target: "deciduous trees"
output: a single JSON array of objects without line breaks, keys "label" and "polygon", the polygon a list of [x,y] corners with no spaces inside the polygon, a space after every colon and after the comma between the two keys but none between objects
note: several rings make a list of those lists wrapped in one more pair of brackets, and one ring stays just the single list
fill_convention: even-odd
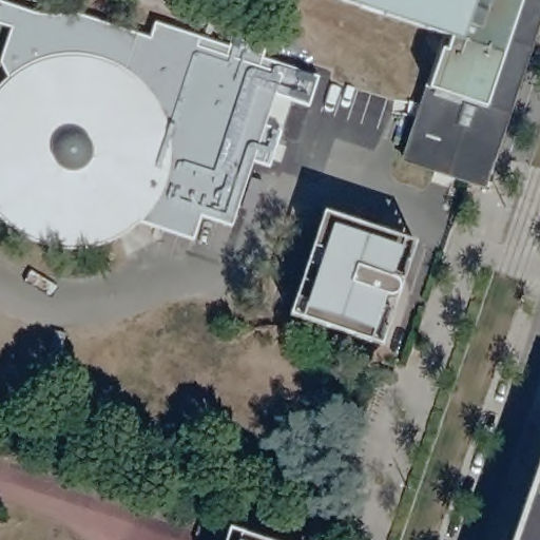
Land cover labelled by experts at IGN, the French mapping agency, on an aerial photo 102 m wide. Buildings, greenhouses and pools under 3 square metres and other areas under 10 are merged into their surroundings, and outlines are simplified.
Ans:
[{"label": "deciduous trees", "polygon": [[458,342],[466,344],[473,335],[475,321],[464,310],[460,314],[458,325],[451,327],[451,335]]},{"label": "deciduous trees", "polygon": [[110,247],[105,243],[76,245],[74,249],[68,249],[59,238],[40,240],[42,259],[46,262],[51,272],[59,276],[72,278],[105,272],[110,266]]},{"label": "deciduous trees", "polygon": [[515,363],[510,354],[504,363],[489,365],[487,375],[491,378],[496,371],[500,371],[498,386],[508,390],[523,382],[525,367],[521,363]]},{"label": "deciduous trees", "polygon": [[114,0],[116,15],[131,15],[139,0]]},{"label": "deciduous trees", "polygon": [[481,498],[468,496],[466,491],[456,491],[451,496],[449,506],[454,506],[454,513],[449,521],[470,525],[481,517]]},{"label": "deciduous trees", "polygon": [[234,302],[228,304],[230,312],[226,316],[217,316],[213,323],[207,325],[209,331],[213,331],[221,340],[232,340],[240,331],[255,327],[257,319],[268,319],[274,314],[274,306],[264,300],[264,283],[270,278],[278,281],[283,253],[297,234],[295,221],[278,217],[276,221],[272,221],[268,230],[262,230],[257,240],[266,249],[266,257],[255,270],[251,287],[232,293]]},{"label": "deciduous trees", "polygon": [[430,276],[426,283],[426,291],[439,287],[443,297],[456,295],[451,287],[454,278],[449,276],[449,268],[441,274]]},{"label": "deciduous trees", "polygon": [[38,0],[34,11],[40,13],[86,15],[89,6],[84,4],[84,0]]},{"label": "deciduous trees", "polygon": [[536,141],[540,143],[540,124],[529,122],[525,118],[519,131],[513,135],[515,146],[519,150],[527,150]]},{"label": "deciduous trees", "polygon": [[17,230],[15,226],[8,226],[0,217],[0,245],[8,255],[25,255],[21,243],[27,236],[25,232]]},{"label": "deciduous trees", "polygon": [[308,513],[306,502],[308,498],[314,498],[308,489],[310,481],[285,479],[276,451],[259,447],[259,443],[253,432],[245,430],[238,422],[234,422],[232,409],[228,405],[221,407],[221,411],[211,413],[207,409],[198,409],[196,416],[188,416],[184,420],[181,426],[165,424],[160,430],[148,430],[146,426],[141,426],[135,407],[112,403],[110,394],[97,392],[93,388],[93,382],[89,378],[91,365],[80,363],[74,352],[68,356],[55,354],[51,369],[42,369],[40,375],[30,375],[19,388],[11,388],[8,401],[0,403],[0,460],[23,466],[23,473],[27,477],[42,479],[51,485],[63,485],[70,491],[78,491],[84,487],[93,487],[97,489],[99,498],[120,500],[120,506],[116,508],[133,519],[165,521],[167,525],[181,529],[186,534],[192,529],[194,523],[209,532],[226,532],[230,529],[230,525],[243,525],[247,517],[257,517],[259,523],[264,523],[266,527],[289,534],[302,529],[306,519],[312,517]]},{"label": "deciduous trees", "polygon": [[365,532],[363,521],[354,517],[338,519],[331,529],[316,532],[316,540],[373,540]]},{"label": "deciduous trees", "polygon": [[500,177],[500,184],[506,188],[508,196],[517,196],[521,173],[508,171],[506,177]]},{"label": "deciduous trees", "polygon": [[487,432],[485,428],[477,428],[470,437],[473,441],[475,451],[483,456],[483,462],[494,458],[502,449],[502,430]]},{"label": "deciduous trees", "polygon": [[297,373],[321,371],[338,378],[340,384],[344,384],[338,394],[344,399],[344,403],[354,403],[356,407],[367,405],[373,397],[375,386],[392,382],[392,371],[382,371],[378,363],[373,354],[361,354],[356,350],[356,338],[293,316],[287,323],[287,329],[278,329],[281,354],[291,363],[291,367]]},{"label": "deciduous trees", "polygon": [[281,53],[283,46],[291,46],[302,36],[297,0],[165,0],[169,6],[169,17],[205,30],[209,27],[209,23],[213,23],[213,32],[224,34],[228,38],[226,42],[249,44],[251,51],[266,51],[266,57],[270,57],[274,53]]},{"label": "deciduous trees", "polygon": [[479,205],[470,196],[462,203],[456,217],[456,224],[477,226]]}]

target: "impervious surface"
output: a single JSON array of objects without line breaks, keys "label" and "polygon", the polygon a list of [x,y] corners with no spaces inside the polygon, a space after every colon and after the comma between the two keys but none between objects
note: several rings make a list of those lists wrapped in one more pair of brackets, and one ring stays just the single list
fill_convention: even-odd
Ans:
[{"label": "impervious surface", "polygon": [[[361,449],[354,454],[361,458],[363,464],[356,485],[352,489],[352,498],[356,502],[354,517],[363,521],[365,532],[373,540],[386,540],[390,529],[390,517],[386,508],[392,506],[394,494],[401,496],[409,470],[409,460],[403,447],[411,445],[413,439],[420,441],[424,432],[437,388],[430,375],[437,373],[437,369],[441,367],[443,354],[447,356],[451,352],[451,335],[451,327],[458,325],[460,314],[464,310],[468,310],[470,306],[468,297],[473,291],[473,276],[468,272],[475,272],[479,262],[483,262],[487,268],[504,276],[521,278],[525,283],[525,293],[519,300],[519,310],[513,316],[510,331],[506,338],[510,354],[515,363],[521,363],[525,367],[523,382],[508,390],[498,386],[500,371],[496,371],[491,378],[481,411],[491,411],[494,422],[485,428],[487,432],[502,430],[502,449],[494,458],[483,462],[483,456],[475,451],[473,441],[466,449],[460,468],[464,477],[473,477],[470,487],[466,491],[468,496],[481,498],[481,517],[470,525],[449,521],[441,521],[437,532],[439,540],[515,540],[515,529],[527,491],[532,487],[534,473],[540,470],[540,143],[536,141],[527,150],[519,150],[515,146],[513,135],[519,131],[525,118],[529,122],[540,124],[540,46],[532,53],[529,65],[523,70],[523,76],[527,80],[523,82],[517,95],[521,103],[510,116],[508,137],[504,137],[500,148],[494,152],[487,184],[479,186],[473,181],[468,186],[470,196],[479,205],[477,226],[456,224],[456,217],[449,215],[449,205],[456,192],[454,184],[432,184],[426,190],[397,186],[390,169],[392,156],[397,156],[399,152],[397,148],[403,122],[413,108],[413,101],[397,99],[392,103],[367,93],[354,95],[352,86],[346,89],[344,97],[340,95],[340,86],[331,86],[329,72],[325,68],[316,68],[300,57],[281,53],[274,53],[270,57],[289,63],[300,72],[321,76],[314,103],[310,108],[289,108],[283,135],[283,160],[274,162],[272,167],[253,167],[251,177],[247,179],[240,196],[236,224],[232,228],[203,219],[196,240],[162,234],[162,238],[133,253],[127,266],[112,276],[101,276],[93,283],[65,283],[59,289],[55,289],[55,281],[59,276],[51,272],[38,266],[23,266],[23,270],[11,270],[4,262],[4,257],[8,255],[0,245],[0,314],[15,319],[23,329],[30,325],[55,325],[70,331],[91,323],[105,325],[118,314],[141,310],[162,297],[181,295],[188,291],[203,291],[209,302],[221,300],[228,289],[232,293],[251,287],[255,270],[266,257],[266,249],[257,240],[262,230],[268,230],[272,221],[276,221],[278,217],[295,221],[295,217],[308,217],[312,205],[321,205],[325,209],[338,209],[420,238],[420,243],[411,247],[411,255],[403,272],[407,281],[405,297],[411,306],[413,302],[426,304],[420,321],[420,331],[428,335],[428,340],[418,348],[411,348],[407,363],[392,371],[392,382],[375,386],[373,397],[367,405],[365,416],[369,420],[369,428],[361,439]],[[506,177],[508,171],[521,173],[517,196],[508,196],[506,188],[500,184],[500,177]],[[449,276],[454,278],[451,287],[456,295],[443,297],[439,287],[426,291],[420,291],[420,285],[426,272],[430,251],[435,247],[443,249],[443,259],[449,268]]]},{"label": "impervious surface", "polygon": [[409,329],[405,325],[397,327],[390,344],[392,350],[399,350],[405,348],[409,335]]},{"label": "impervious surface", "polygon": [[194,523],[192,529],[186,534],[181,529],[167,525],[165,521],[133,519],[116,508],[99,506],[93,500],[93,496],[84,496],[78,491],[70,491],[63,485],[51,485],[42,479],[27,477],[23,473],[23,466],[0,460],[0,504],[4,504],[6,510],[13,504],[21,504],[27,510],[49,515],[61,527],[70,527],[80,540],[228,540],[226,532],[209,532]]}]

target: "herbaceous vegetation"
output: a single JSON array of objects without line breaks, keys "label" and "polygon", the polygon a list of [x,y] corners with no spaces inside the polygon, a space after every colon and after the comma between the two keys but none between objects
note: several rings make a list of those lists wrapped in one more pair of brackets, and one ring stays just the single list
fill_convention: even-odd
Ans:
[{"label": "herbaceous vegetation", "polygon": [[340,86],[340,95],[344,97],[346,89],[352,86],[354,95],[367,93],[392,103],[397,99],[413,101],[422,99],[426,84],[432,78],[439,53],[449,42],[449,34],[418,30],[413,25],[361,11],[338,0],[297,0],[302,36],[291,46],[283,46],[281,53],[300,57],[316,68],[325,68],[329,72],[331,86]]},{"label": "herbaceous vegetation", "polygon": [[21,504],[13,504],[6,510],[4,504],[0,504],[0,540],[80,540],[70,527],[61,527],[49,515],[27,510]]},{"label": "herbaceous vegetation", "polygon": [[105,243],[110,247],[110,266],[105,272],[72,278],[59,276],[55,281],[55,289],[59,289],[65,283],[93,283],[101,276],[112,276],[127,266],[133,253],[162,238],[162,234],[160,230],[137,224],[120,238]]},{"label": "herbaceous vegetation", "polygon": [[4,262],[11,270],[23,270],[23,266],[38,266],[51,272],[46,262],[42,259],[40,240],[30,240],[27,236],[21,243],[25,255],[8,255],[4,257]]},{"label": "herbaceous vegetation", "polygon": [[382,356],[397,354],[399,350],[392,350],[390,344],[378,346],[356,338],[356,350],[361,354],[373,354],[378,363],[384,363]]},{"label": "herbaceous vegetation", "polygon": [[407,162],[405,156],[399,152],[397,156],[392,156],[390,169],[397,186],[426,190],[432,184],[432,169]]},{"label": "herbaceous vegetation", "polygon": [[15,319],[0,314],[0,403],[8,401],[11,388],[19,388],[30,375],[40,375],[42,369],[51,369],[55,354],[68,356],[74,352],[80,363],[91,365],[89,378],[93,382],[93,388],[97,392],[110,394],[112,403],[135,407],[141,426],[146,426],[148,430],[160,430],[165,424],[181,426],[184,420],[188,416],[196,416],[198,409],[207,409],[211,413],[221,411],[221,407],[228,405],[232,409],[234,422],[238,422],[245,430],[253,432],[259,443],[268,439],[274,430],[287,430],[291,426],[289,413],[321,411],[333,394],[338,394],[344,384],[340,384],[338,378],[321,371],[297,373],[291,367],[291,363],[281,354],[278,329],[287,329],[287,323],[293,316],[291,308],[297,293],[297,285],[325,209],[321,205],[312,205],[308,217],[295,217],[295,221],[297,234],[283,253],[278,281],[270,278],[264,283],[264,300],[274,306],[274,314],[268,319],[257,319],[255,327],[240,331],[232,340],[221,340],[213,331],[209,331],[207,325],[213,323],[217,316],[226,316],[230,312],[228,304],[234,302],[232,293],[228,289],[221,300],[209,302],[203,291],[188,291],[181,295],[162,297],[141,310],[118,314],[105,325],[91,323],[70,331],[55,325],[30,325],[23,329]]},{"label": "herbaceous vegetation", "polygon": [[120,506],[120,500],[99,498],[97,489],[93,487],[84,487],[78,491],[84,496],[93,496],[93,500],[99,506],[116,508]]},{"label": "herbaceous vegetation", "polygon": [[468,297],[470,306],[468,310],[464,310],[475,321],[473,335],[466,344],[458,342],[451,335],[451,352],[447,356],[443,354],[441,367],[437,369],[437,373],[430,375],[437,388],[424,432],[420,441],[413,439],[411,445],[403,447],[409,460],[409,470],[401,496],[394,494],[392,506],[386,508],[390,517],[390,529],[386,540],[439,540],[437,532],[441,521],[449,521],[454,513],[454,506],[449,506],[451,496],[456,491],[466,491],[470,487],[473,477],[464,477],[460,468],[466,449],[473,441],[470,437],[477,428],[485,428],[494,422],[491,411],[481,411],[491,378],[487,375],[489,365],[504,363],[510,354],[506,338],[510,331],[513,316],[519,310],[519,300],[525,293],[525,283],[521,278],[504,276],[487,268],[483,262],[479,262],[475,272],[468,272],[473,276],[473,291]]},{"label": "herbaceous vegetation", "polygon": [[213,32],[213,23],[209,23],[209,27],[205,30],[169,17],[169,6],[165,0],[139,0],[131,15],[116,15],[114,0],[84,0],[84,4],[89,6],[86,15],[99,17],[112,23],[114,27],[137,30],[143,34],[148,34],[152,25],[160,21],[200,34],[205,38],[226,42],[228,38],[224,34]]},{"label": "herbaceous vegetation", "polygon": [[247,517],[243,525],[247,529],[266,534],[268,540],[316,540],[316,532],[331,529],[338,519],[312,517],[306,519],[302,529],[289,534],[266,527],[264,523],[259,523],[257,517]]}]

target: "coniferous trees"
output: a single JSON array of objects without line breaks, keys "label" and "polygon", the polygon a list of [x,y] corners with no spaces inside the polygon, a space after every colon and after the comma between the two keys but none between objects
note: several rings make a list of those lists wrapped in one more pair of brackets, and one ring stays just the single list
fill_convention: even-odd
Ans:
[{"label": "coniferous trees", "polygon": [[344,403],[344,399],[338,394],[333,394],[321,411],[289,413],[291,426],[287,430],[274,430],[268,439],[259,443],[259,447],[276,451],[285,479],[310,481],[308,489],[314,498],[308,498],[306,502],[308,513],[312,517],[338,519],[354,517],[356,502],[352,498],[352,489],[356,485],[363,464],[361,458],[354,454],[361,449],[361,439],[369,428],[369,420],[365,416],[367,405],[356,407],[354,403]]}]

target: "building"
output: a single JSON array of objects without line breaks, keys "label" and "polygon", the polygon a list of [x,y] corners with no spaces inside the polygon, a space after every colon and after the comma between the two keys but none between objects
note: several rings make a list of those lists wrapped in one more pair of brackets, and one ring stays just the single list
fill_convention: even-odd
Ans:
[{"label": "building", "polygon": [[243,525],[230,525],[230,529],[226,532],[228,540],[268,540],[266,534],[247,529]]},{"label": "building", "polygon": [[540,540],[540,470],[534,473],[532,487],[527,491],[515,529],[515,540]]},{"label": "building", "polygon": [[405,297],[407,281],[403,272],[411,255],[411,247],[420,243],[420,238],[338,209],[325,209],[297,285],[297,293],[291,308],[293,316],[356,338],[378,346],[390,344],[397,327],[405,325],[411,306]]},{"label": "building", "polygon": [[274,162],[283,160],[283,135],[289,108],[310,108],[314,103],[321,76],[300,72],[289,63],[270,57],[266,57],[266,51],[251,51],[249,44],[226,42],[205,38],[200,34],[160,21],[152,25],[148,34],[143,34],[137,30],[114,27],[112,23],[99,17],[86,15],[40,13],[34,11],[38,0],[0,0],[0,217],[8,226],[15,226],[17,230],[25,232],[27,236],[30,240],[40,240],[59,238],[68,249],[74,249],[76,245],[105,243],[120,238],[137,224],[160,230],[162,234],[196,240],[203,219],[232,228],[236,224],[240,196],[247,179],[251,177],[253,167],[272,167]]},{"label": "building", "polygon": [[439,53],[432,78],[426,84],[422,99],[413,101],[413,108],[403,122],[397,148],[399,152],[405,156],[407,162],[432,169],[432,184],[454,184],[454,177],[466,177],[473,181],[479,186],[487,184],[494,152],[500,148],[504,137],[508,137],[510,116],[521,103],[517,95],[523,82],[527,80],[523,76],[523,70],[529,65],[532,53],[540,46],[540,0],[338,0],[361,11],[413,25],[418,30],[449,34],[449,42]]}]

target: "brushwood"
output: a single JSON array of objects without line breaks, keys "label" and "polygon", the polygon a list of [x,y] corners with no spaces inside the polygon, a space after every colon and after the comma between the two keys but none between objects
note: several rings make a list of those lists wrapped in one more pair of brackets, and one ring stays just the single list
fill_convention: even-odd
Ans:
[{"label": "brushwood", "polygon": [[411,306],[405,325],[409,329],[409,335],[405,348],[399,350],[397,354],[382,356],[384,363],[378,363],[382,371],[392,371],[407,363],[411,348],[418,348],[428,340],[428,335],[420,331],[420,321],[426,304],[413,302]]},{"label": "brushwood", "polygon": [[468,186],[473,181],[466,177],[454,177],[454,184],[456,192],[449,205],[449,215],[456,217],[462,203],[470,196]]},{"label": "brushwood", "polygon": [[426,283],[430,276],[441,274],[449,268],[443,259],[443,249],[435,247],[430,251],[426,272],[420,285],[420,291],[426,291]]}]

